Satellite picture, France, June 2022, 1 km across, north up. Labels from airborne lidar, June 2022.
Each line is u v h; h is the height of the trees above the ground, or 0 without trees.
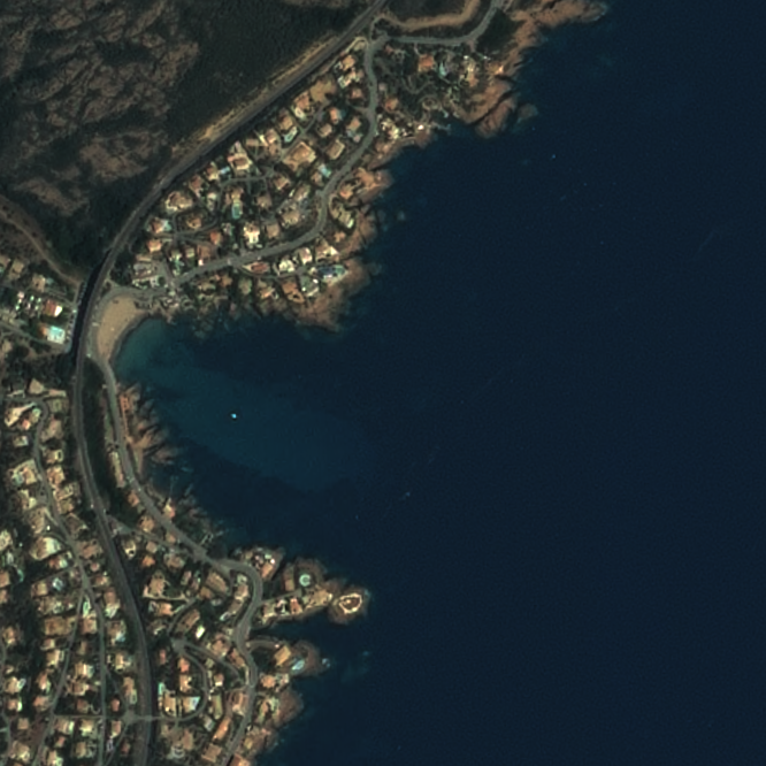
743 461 0
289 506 0
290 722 0
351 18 7
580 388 0
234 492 0
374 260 0
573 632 0
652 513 0
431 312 0
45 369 6
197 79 6
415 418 0
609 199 0
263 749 0
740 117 0
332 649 0
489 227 0
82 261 14
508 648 0
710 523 0
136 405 0
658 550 0
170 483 0
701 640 0
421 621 0
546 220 0
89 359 9
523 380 0
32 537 10
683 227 0
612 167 0
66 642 7
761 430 0
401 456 0
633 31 0
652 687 0
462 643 0
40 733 0
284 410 0
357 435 0
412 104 6
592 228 0
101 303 0
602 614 0
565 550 0
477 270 0
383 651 0
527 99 0
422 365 0
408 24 0
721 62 0
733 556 0
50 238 6
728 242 0
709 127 0
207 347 0
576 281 0
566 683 0
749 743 0
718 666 0
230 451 0
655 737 0
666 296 0
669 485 0
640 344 0
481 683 0
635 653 0
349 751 0
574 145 0
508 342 0
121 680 6
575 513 0
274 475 0
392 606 0
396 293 0
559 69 0
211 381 0
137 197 11
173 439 0
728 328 0
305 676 0
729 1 0
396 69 8
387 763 0
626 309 0
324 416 0
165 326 0
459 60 6
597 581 0
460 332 0
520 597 0
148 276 0
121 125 5
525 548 0
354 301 0
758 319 0
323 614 0
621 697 0
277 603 8
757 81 0
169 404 0
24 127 0
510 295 0
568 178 0
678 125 0
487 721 0
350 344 0
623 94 0
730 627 0
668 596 0
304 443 0
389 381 0
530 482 0
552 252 0
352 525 0
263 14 9
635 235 0
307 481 0
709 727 0
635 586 0
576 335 0
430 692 0
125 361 0
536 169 0
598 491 0
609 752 0
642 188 0
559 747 0
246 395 0
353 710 0
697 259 0
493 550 0
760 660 0
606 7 0
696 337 0
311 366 0
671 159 0
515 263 0
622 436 0
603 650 0
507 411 0
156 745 7
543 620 0
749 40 0
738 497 0
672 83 0
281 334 0
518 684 0
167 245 7
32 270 9
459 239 0
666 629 0
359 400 0
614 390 0
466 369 0
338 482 0
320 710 0
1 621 6
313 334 0
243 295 7
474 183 0
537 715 0
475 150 0
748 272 0
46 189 0
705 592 0
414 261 0
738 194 0
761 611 0
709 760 0
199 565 6
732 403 0
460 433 0
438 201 0
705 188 0
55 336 0
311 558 0
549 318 0
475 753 0
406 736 0
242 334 0
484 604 0
